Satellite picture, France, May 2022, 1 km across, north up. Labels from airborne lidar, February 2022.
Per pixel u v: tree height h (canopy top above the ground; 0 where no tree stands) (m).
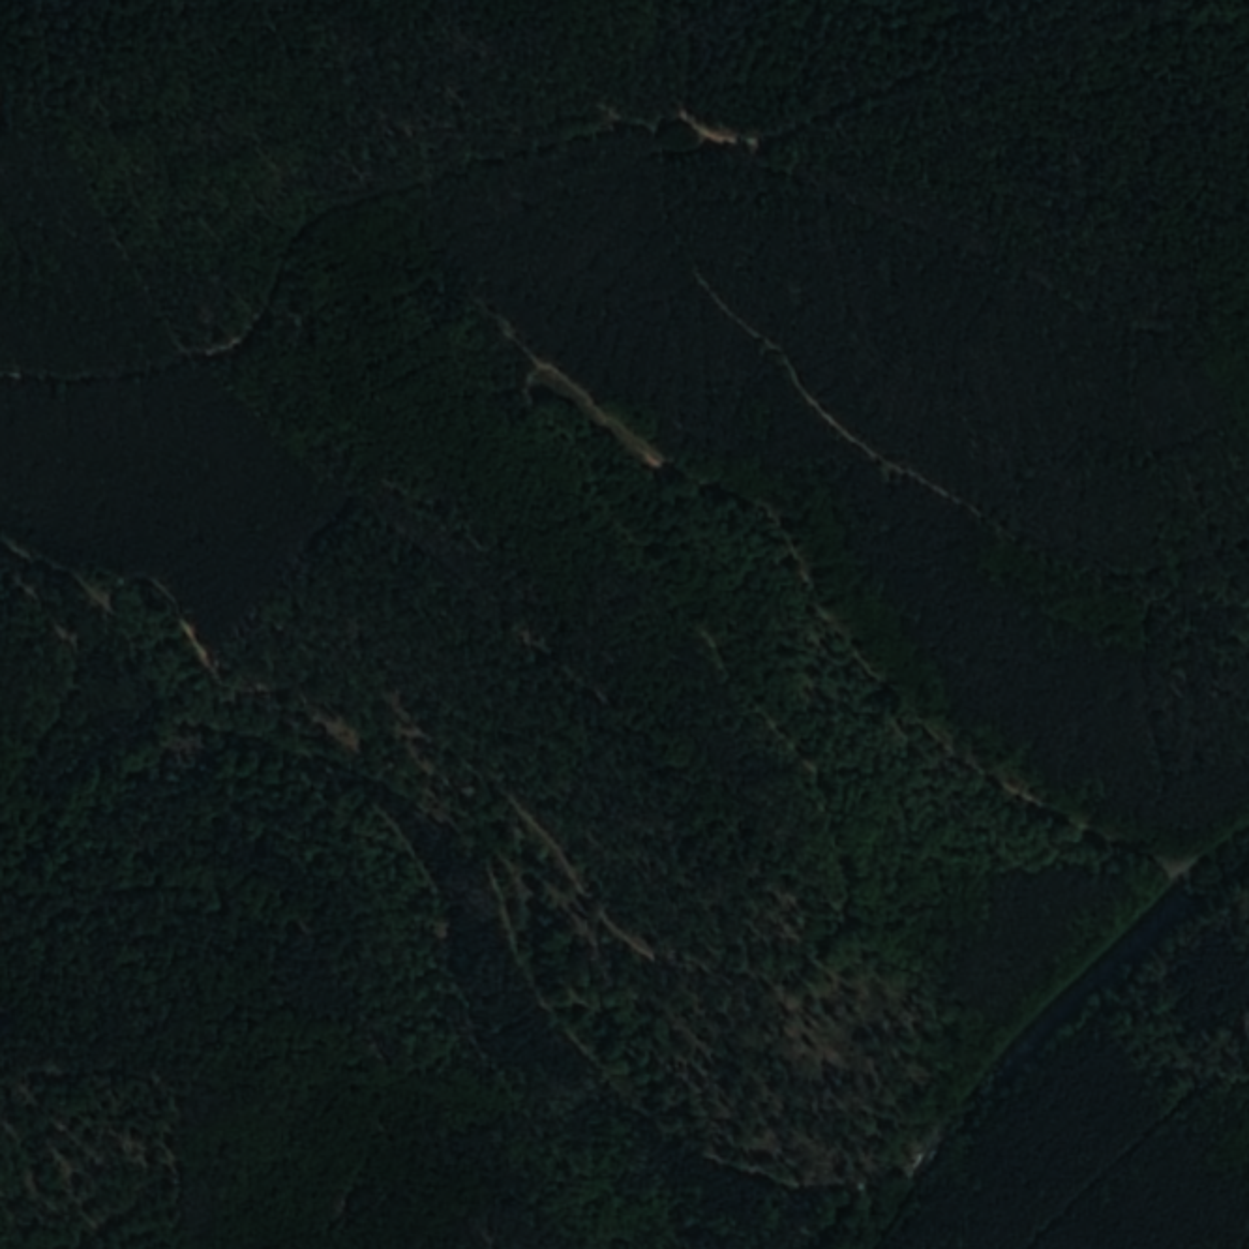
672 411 18
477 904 26
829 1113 29
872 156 20
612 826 28
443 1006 38
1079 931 19
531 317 17
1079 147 21
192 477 16
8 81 23
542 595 17
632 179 19
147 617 22
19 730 22
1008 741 17
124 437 14
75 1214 20
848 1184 31
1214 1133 13
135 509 21
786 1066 32
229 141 23
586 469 21
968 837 23
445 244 21
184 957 29
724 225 18
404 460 0
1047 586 16
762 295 17
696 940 23
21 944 27
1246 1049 30
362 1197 16
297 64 26
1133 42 19
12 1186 19
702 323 14
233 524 18
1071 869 17
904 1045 30
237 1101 16
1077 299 17
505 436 0
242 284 22
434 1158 16
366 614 27
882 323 18
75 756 23
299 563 24
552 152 18
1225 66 24
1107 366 17
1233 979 11
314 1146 0
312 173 21
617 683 16
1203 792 17
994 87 22
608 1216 18
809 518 16
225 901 30
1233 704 24
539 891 21
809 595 29
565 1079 20
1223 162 25
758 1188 23
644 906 32
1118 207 19
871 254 18
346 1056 23
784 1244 21
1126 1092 15
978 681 15
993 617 16
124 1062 24
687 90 26
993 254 16
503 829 30
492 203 20
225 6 26
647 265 17
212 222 22
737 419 16
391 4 22
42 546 25
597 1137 20
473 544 17
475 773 30
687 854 28
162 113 11
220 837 32
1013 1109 16
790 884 30
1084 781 12
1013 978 18
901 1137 36
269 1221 16
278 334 17
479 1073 19
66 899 25
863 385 19
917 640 17
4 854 30
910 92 20
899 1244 11
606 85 24
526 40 23
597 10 26
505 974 29
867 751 29
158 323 18
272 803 31
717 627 26
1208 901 10
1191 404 17
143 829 27
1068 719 16
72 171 20
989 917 16
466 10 26
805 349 15
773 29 28
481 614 27
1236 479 26
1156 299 19
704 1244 30
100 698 21
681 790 30
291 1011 26
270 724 23
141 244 16
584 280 16
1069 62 23
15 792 33
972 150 21
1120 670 14
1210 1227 17
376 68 25
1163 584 23
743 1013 32
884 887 22
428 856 19
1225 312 15
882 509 15
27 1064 23
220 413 16
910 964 20
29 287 20
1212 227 23
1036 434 18
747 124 28
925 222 16
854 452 12
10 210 20
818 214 19
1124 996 23
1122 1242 17
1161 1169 17
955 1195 17
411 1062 27
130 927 27
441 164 21
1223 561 21
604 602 17
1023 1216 16
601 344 17
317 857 31
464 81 21
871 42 26
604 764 26
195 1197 16
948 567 18
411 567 26
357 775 18
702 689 15
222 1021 28
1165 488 23
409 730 0
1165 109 26
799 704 25
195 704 26
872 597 14
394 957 33
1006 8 24
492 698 26
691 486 27
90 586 10
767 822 19
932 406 19
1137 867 26
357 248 18
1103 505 21
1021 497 22
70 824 26
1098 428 18
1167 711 19
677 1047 29
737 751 22
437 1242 14
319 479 15
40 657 25
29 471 22
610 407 22
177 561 18
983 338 19
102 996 25
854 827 27
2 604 33
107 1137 15
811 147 22
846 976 31
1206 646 10
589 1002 26
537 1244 16
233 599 14
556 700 28
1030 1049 0
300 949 30
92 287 20
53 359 17
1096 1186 17
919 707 16
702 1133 20
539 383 0
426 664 24
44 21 23
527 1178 16
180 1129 13
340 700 29
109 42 30
